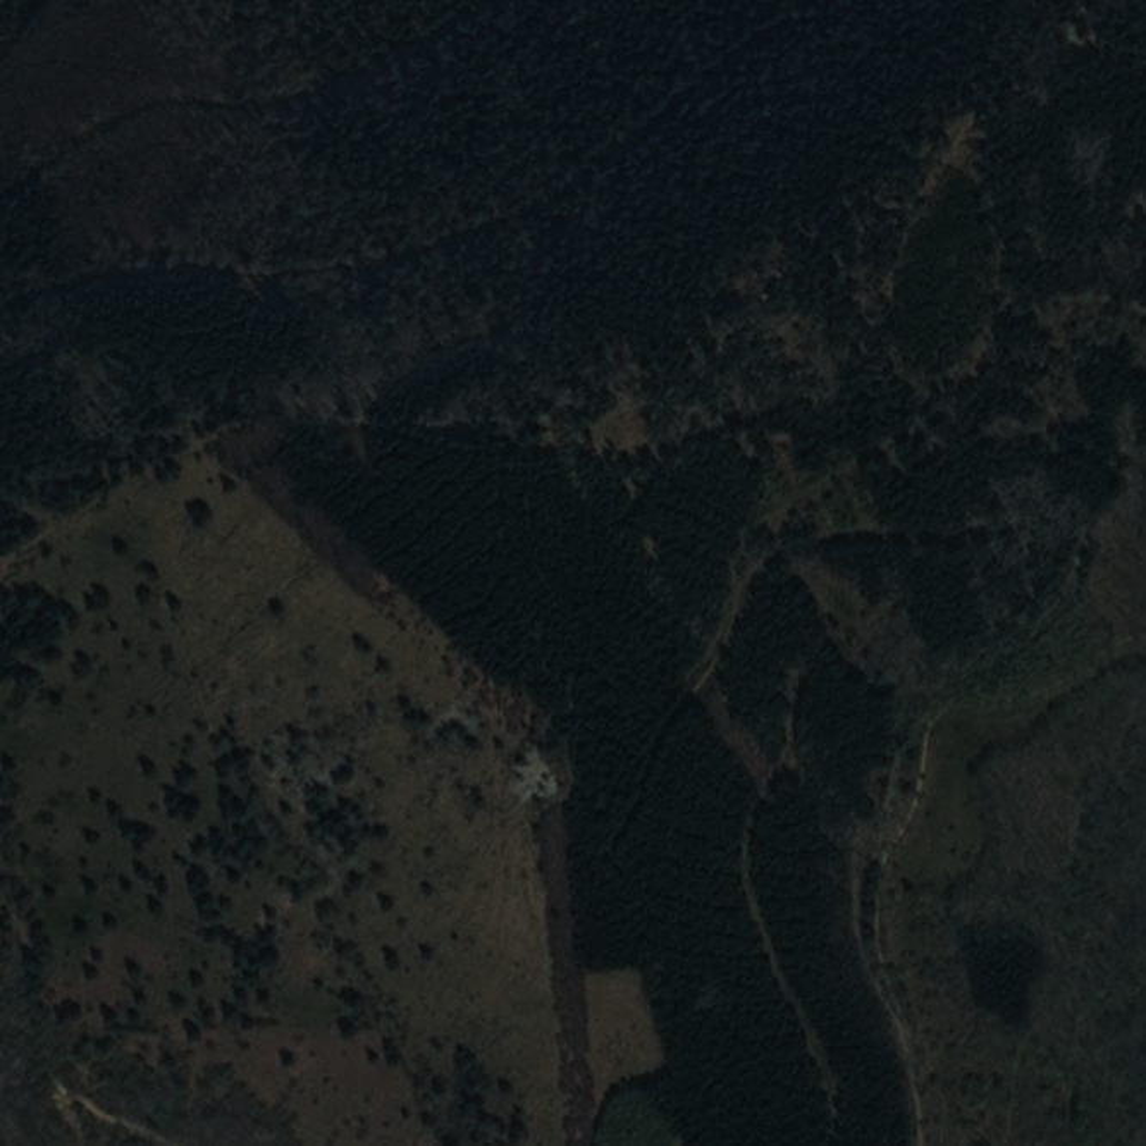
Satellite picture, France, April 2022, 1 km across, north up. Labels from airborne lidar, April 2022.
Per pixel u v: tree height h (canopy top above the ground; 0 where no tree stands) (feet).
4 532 57
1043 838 83
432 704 0
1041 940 94
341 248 82
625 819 66
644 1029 0
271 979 19
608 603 76
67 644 0
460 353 57
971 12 95
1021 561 70
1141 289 64
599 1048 0
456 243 22
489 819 0
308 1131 0
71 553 0
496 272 97
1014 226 110
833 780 80
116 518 0
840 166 77
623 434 0
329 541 35
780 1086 78
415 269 56
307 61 100
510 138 120
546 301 72
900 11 89
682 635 79
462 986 0
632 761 80
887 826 43
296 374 73
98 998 0
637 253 98
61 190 53
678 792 78
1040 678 75
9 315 39
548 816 28
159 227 39
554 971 29
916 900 36
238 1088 24
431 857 34
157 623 0
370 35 75
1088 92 89
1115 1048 80
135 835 47
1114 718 79
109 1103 24
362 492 67
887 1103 71
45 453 62
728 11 72
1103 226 79
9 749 0
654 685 75
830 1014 87
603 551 70
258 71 111
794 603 96
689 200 75
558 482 68
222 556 0
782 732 61
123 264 32
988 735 0
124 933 0
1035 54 92
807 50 89
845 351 89
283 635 0
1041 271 79
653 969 60
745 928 70
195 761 0
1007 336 102
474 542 64
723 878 77
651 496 74
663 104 94
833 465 37
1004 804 86
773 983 65
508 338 66
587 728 59
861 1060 83
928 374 32
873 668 52
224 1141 67
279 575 0
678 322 78
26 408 70
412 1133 0
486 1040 0
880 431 68
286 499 40
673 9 85
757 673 77
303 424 40
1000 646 80
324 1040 0
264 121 102
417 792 0
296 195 98
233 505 0
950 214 25
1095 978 70
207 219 101
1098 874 67
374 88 22
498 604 62
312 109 20
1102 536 73
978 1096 28
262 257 93
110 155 39
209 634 0
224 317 92
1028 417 71
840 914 56
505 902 0
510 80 101
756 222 90
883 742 72
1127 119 104
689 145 91
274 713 0
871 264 96
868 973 59
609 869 74
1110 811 59
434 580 59
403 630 22
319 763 23
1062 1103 28
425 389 57
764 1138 81
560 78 104
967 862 27
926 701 65
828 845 65
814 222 55
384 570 56
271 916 49
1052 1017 84
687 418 44
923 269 25
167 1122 66
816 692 88
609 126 95
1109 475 99
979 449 83
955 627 96
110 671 0
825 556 87
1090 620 63
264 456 37
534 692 46
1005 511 75
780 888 79
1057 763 79
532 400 43
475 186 98
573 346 84
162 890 56
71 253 48
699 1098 79
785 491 51
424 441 72
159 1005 0
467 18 96
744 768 64
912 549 87
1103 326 50
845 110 88
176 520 0
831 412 71
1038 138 80
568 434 65
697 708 75
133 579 0
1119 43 52
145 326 95
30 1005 65
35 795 0
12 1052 62
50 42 68
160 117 49
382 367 52
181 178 57
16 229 61
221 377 83
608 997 0
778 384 96
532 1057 0
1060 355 28
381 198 97
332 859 30
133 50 45
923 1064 49
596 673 62
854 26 90
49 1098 66
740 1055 77
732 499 79
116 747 0
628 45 100
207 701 0
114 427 50
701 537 89
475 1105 41
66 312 61
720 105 38
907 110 83
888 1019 51
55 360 55
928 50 97
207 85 52
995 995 98
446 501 60
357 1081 0
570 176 88
